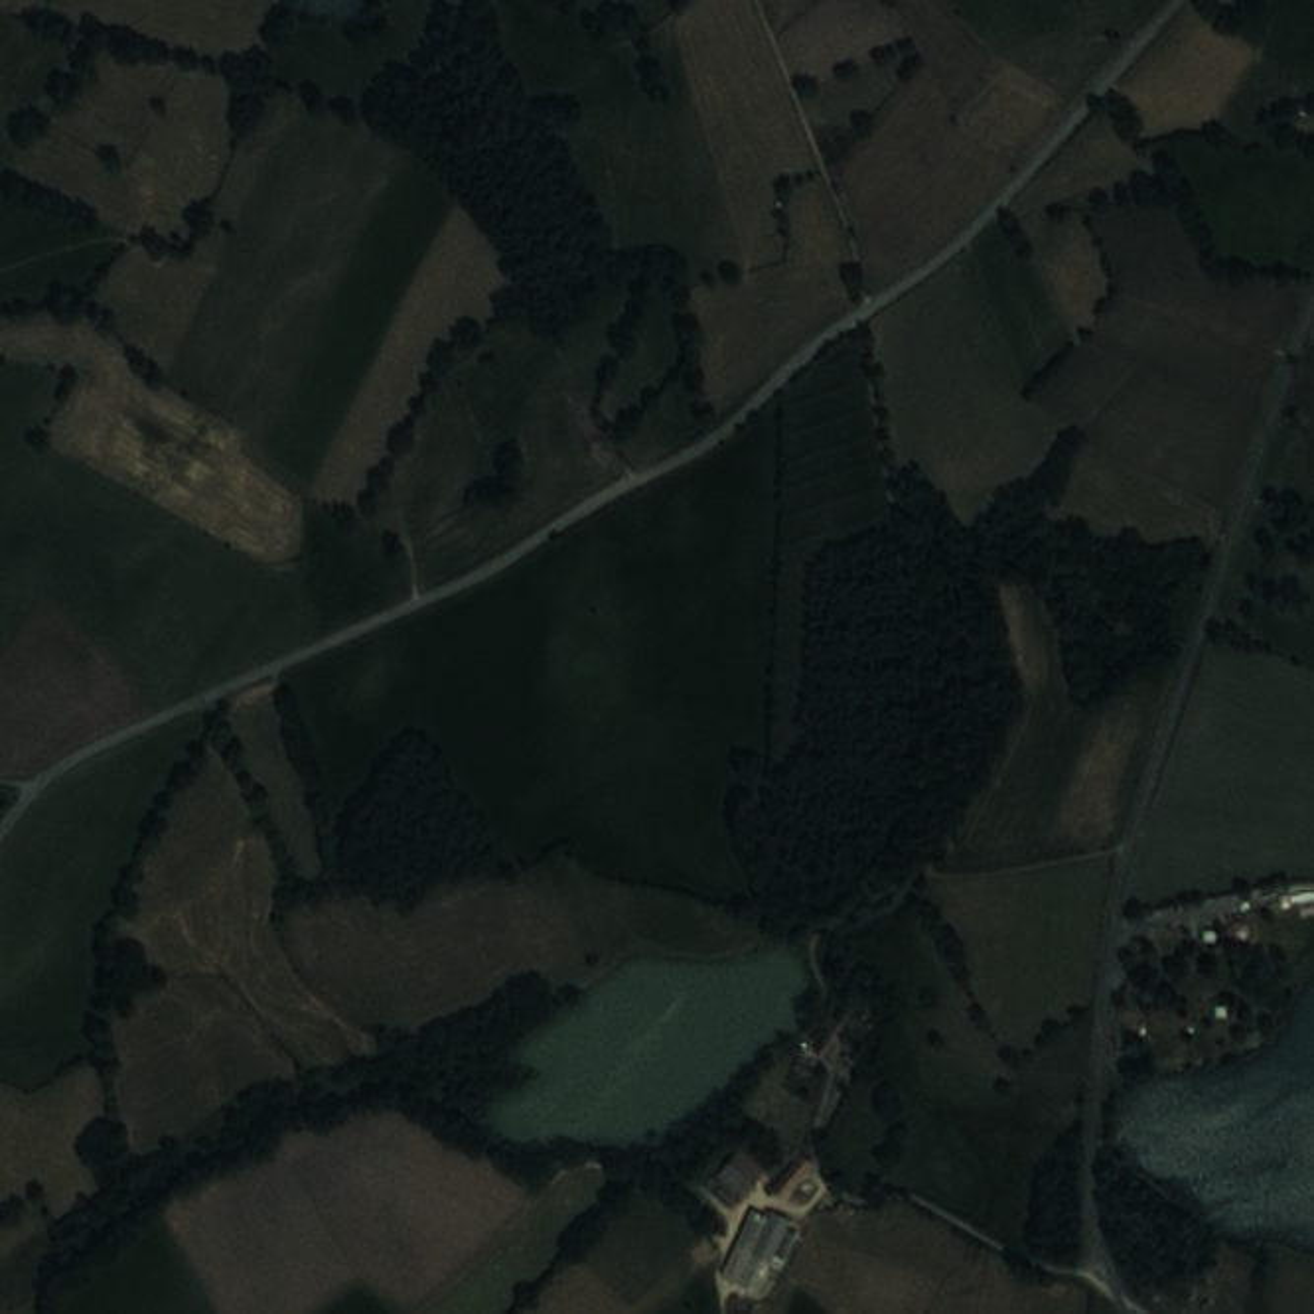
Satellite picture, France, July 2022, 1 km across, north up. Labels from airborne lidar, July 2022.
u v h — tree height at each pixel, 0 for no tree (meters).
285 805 0
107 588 0
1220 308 0
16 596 0
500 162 10
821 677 16
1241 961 16
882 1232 0
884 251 0
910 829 22
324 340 0
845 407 0
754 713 0
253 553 0
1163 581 8
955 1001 0
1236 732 0
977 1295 0
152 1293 0
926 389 0
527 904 0
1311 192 0
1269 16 0
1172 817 0
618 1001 0
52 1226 7
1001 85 0
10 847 0
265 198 0
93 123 0
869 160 0
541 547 0
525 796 0
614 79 0
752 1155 8
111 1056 21
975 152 0
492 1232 0
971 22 0
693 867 0
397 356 0
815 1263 0
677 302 18
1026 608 0
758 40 0
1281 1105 0
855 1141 0
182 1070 0
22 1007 0
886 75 0
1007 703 22
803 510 0
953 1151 0
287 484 0
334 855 23
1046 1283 12
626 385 0
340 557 0
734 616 0
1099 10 0
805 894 18
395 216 0
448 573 0
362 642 0
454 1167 0
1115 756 0
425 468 0
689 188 0
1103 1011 0
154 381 19
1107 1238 17
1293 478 0
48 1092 0
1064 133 0
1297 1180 0
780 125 0
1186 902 14
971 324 0
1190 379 0
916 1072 0
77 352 0
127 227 0
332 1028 0
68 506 0
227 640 0
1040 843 0
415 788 24
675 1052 0
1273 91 0
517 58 0
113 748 0
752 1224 0
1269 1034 15
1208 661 0
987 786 12
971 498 0
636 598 0
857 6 0
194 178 0
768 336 0
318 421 0
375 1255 0
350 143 0
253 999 0
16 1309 0
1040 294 0
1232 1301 0
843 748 16
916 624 17
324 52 0
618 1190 22
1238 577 0
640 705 0
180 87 0
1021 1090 0
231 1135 8
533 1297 16
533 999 24
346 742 0
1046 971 0
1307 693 0
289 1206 0
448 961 0
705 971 0
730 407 0
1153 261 0
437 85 21
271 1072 0
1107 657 6
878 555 17
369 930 0
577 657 0
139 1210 21
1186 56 0
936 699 21
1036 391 8
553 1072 0
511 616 0
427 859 17
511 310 27
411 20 0
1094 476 0
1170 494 0
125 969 20
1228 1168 0
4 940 0
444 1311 0
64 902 0
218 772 0
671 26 0
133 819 0
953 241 0
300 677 0
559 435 0
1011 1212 0
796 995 0
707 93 0
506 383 0
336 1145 0
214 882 0
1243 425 0
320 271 0
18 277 0
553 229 24
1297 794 0
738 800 20
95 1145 22
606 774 0
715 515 0
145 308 0
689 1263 0
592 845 0
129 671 0
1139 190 21
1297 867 0
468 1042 20
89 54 18
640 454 0
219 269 0
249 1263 0
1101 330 0
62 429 0
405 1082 6
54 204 21
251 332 0
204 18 0
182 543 0
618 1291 0
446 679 0
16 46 0
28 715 0
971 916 0
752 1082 16
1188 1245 35
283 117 0
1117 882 0
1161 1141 0
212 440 0
